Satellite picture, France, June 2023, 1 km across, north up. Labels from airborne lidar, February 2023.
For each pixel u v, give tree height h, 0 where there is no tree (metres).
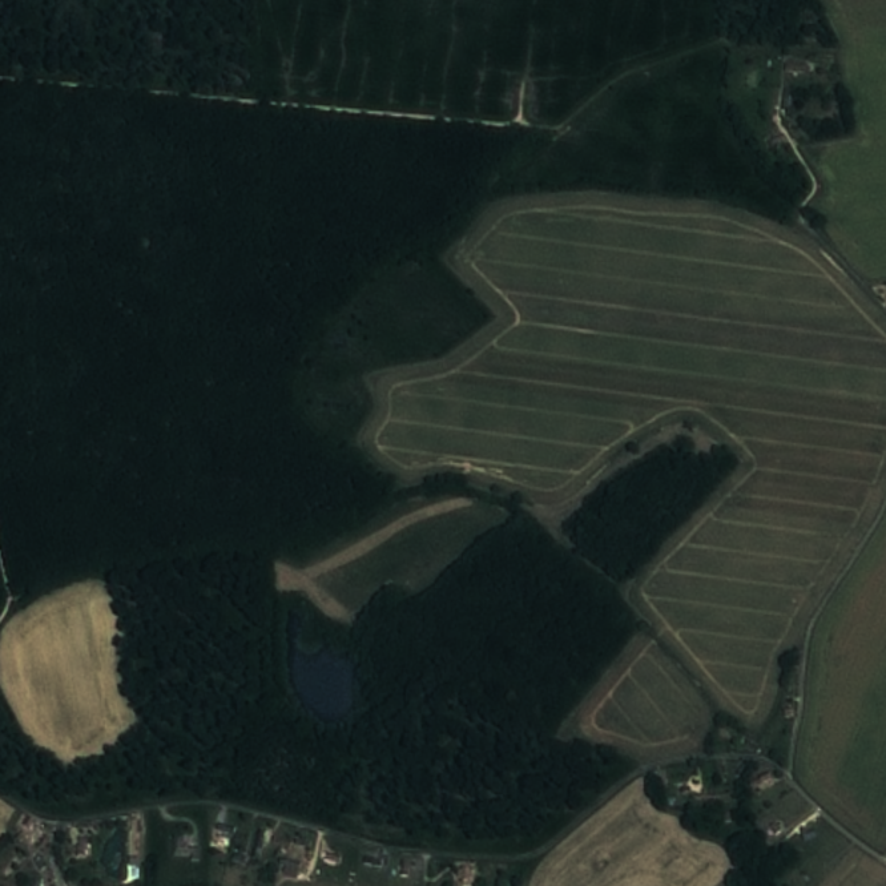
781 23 20
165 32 31
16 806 0
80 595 0
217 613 31
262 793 14
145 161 15
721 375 0
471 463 0
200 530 12
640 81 0
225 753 27
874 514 0
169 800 22
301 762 15
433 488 12
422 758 31
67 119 10
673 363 0
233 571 29
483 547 18
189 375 13
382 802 30
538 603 21
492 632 22
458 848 0
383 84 0
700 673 0
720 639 0
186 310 13
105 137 14
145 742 31
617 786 0
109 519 11
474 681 17
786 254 0
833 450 0
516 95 0
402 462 0
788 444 0
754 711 0
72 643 0
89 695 0
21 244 10
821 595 0
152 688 32
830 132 21
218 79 29
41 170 10
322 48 0
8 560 14
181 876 0
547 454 0
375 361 0
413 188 16
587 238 0
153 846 0
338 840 0
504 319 0
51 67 27
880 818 0
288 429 15
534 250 0
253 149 16
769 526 0
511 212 0
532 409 0
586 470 0
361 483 19
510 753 32
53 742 0
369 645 21
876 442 0
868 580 0
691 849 0
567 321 0
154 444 10
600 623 25
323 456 15
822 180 0
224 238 16
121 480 15
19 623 0
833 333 0
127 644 29
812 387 0
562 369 0
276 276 19
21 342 11
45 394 10
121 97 15
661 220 0
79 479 12
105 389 17
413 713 32
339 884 0
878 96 0
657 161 0
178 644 31
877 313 0
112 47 25
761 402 0
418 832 30
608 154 0
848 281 0
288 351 17
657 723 0
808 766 0
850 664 0
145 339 17
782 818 0
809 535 0
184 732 0
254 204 19
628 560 18
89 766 18
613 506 20
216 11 31
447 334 0
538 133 18
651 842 0
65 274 16
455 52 0
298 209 16
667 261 0
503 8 0
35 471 10
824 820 0
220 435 13
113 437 11
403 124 15
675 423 0
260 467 13
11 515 16
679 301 0
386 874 0
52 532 14
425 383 0
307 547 12
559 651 24
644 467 12
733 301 0
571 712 14
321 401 0
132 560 16
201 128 16
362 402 0
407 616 19
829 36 8
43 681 0
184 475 14
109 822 10
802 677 0
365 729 22
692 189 10
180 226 15
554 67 0
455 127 18
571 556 16
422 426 0
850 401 0
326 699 0
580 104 0
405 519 0
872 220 0
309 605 7
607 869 0
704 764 11
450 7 0
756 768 12
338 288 20
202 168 18
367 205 17
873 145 0
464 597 21
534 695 23
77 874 10
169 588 32
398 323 0
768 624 0
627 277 0
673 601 0
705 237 0
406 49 0
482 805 35
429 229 18
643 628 11
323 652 0
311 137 15
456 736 31
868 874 0
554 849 0
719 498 0
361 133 16
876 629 0
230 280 17
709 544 0
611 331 0
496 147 18
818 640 0
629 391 0
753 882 22
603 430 0
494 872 0
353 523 12
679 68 0
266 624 22
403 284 0
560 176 0
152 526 12
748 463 0
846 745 0
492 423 0
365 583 0
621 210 0
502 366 0
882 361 0
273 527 14
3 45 30
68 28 25
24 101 14
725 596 0
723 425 0
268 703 19
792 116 9
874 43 0
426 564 0
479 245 0
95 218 13
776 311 0
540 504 0
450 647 24
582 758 32
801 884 0
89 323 16
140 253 11
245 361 14
